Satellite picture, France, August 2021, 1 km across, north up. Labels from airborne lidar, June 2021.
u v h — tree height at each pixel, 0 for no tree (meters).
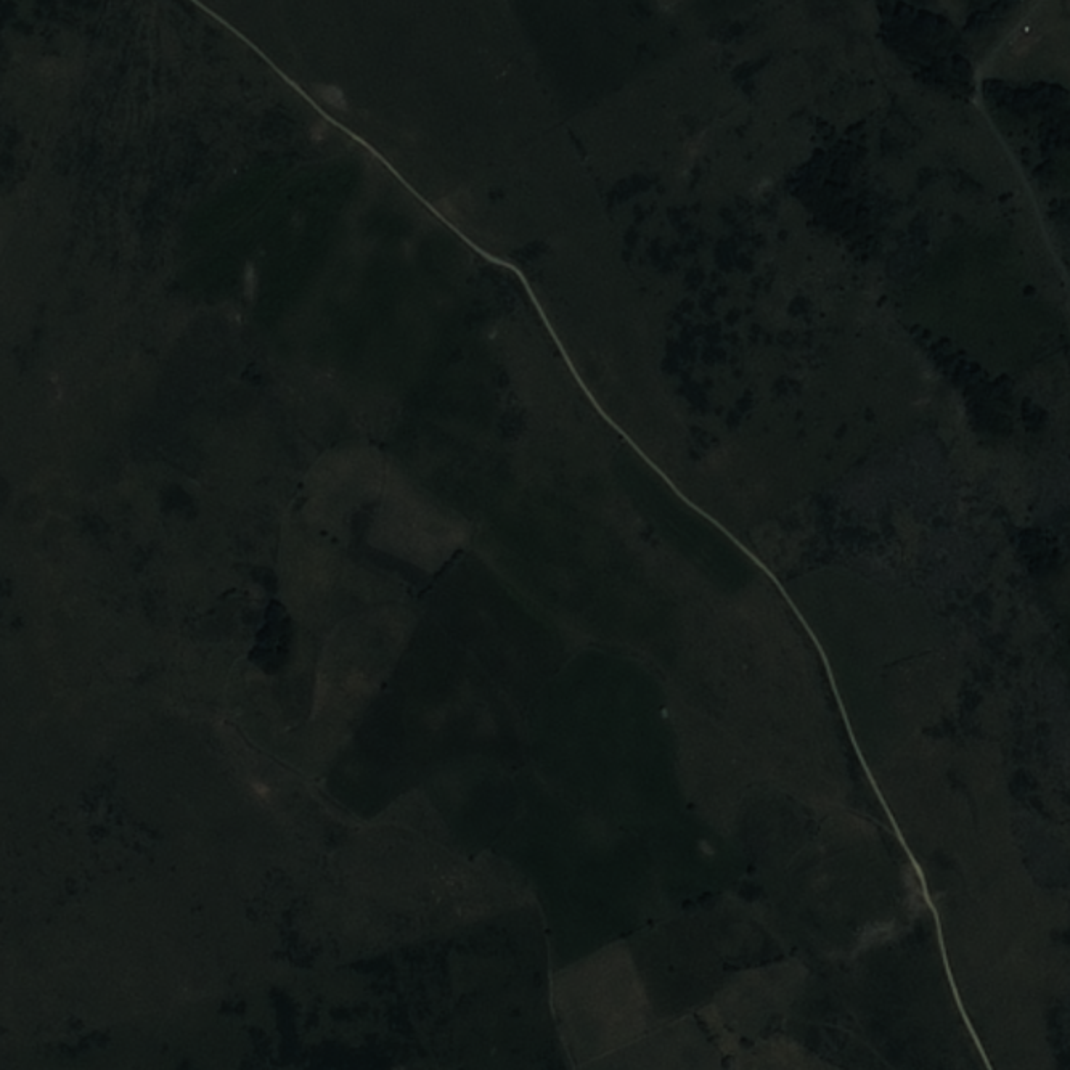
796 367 0
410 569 0
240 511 0
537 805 0
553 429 0
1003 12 7
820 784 0
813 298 0
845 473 0
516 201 0
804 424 0
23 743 0
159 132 0
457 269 0
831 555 0
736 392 0
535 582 0
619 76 0
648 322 0
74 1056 0
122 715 0
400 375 0
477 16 0
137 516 0
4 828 0
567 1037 0
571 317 0
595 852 0
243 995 0
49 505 0
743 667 0
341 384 0
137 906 0
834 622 0
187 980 0
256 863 0
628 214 0
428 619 0
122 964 0
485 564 0
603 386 0
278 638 15
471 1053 0
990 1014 0
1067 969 0
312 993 0
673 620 0
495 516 0
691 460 0
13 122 0
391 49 0
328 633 0
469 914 0
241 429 0
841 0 0
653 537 0
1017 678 0
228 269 0
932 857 0
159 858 0
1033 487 0
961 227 0
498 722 0
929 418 0
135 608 0
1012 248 0
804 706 0
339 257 0
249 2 0
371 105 0
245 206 0
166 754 0
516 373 0
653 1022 0
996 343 0
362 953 0
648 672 0
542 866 0
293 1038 0
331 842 0
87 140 0
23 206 0
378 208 0
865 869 0
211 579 0
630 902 0
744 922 0
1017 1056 0
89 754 0
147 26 0
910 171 0
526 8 0
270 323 0
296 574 0
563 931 0
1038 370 0
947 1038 0
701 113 0
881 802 0
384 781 0
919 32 19
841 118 0
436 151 0
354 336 0
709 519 0
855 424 0
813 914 0
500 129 0
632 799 0
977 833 0
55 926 0
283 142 0
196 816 0
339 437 0
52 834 0
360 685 0
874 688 0
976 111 0
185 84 0
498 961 0
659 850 0
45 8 0
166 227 0
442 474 0
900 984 0
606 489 0
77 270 0
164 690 0
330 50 0
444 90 0
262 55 0
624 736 0
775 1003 0
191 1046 0
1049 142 12
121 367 0
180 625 0
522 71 0
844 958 0
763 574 0
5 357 0
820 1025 0
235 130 0
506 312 0
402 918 0
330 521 0
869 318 0
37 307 0
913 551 0
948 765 0
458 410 0
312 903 0
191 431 0
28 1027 0
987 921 0
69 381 0
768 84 0
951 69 11
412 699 0
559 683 0
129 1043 0
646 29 0
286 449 0
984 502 0
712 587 0
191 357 0
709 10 0
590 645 0
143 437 0
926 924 0
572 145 0
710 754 0
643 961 0
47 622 0
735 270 0
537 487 0
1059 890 0
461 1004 0
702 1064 0
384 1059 0
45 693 0
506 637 0
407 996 0
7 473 0
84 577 0
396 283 0
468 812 0
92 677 0
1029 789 0
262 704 0
